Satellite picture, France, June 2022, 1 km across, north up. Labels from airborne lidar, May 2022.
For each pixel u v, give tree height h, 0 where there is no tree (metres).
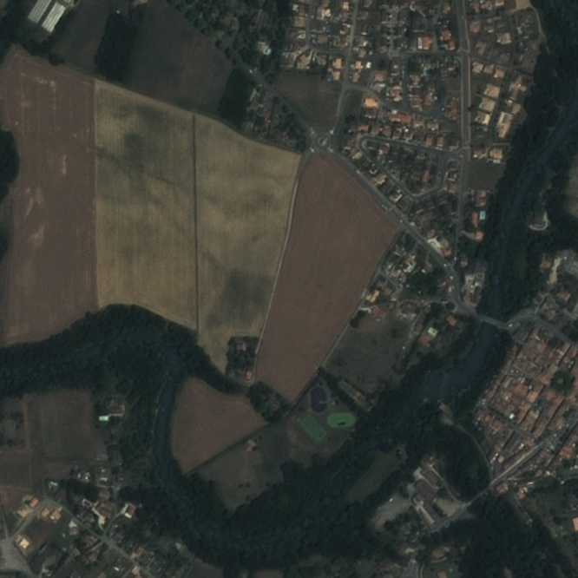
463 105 0
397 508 0
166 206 0
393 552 16
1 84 0
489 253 21
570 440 0
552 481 0
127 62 12
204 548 28
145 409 9
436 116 0
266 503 11
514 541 20
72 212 0
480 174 0
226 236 0
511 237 12
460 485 14
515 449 0
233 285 0
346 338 0
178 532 9
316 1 0
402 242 10
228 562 26
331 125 0
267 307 0
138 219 0
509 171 14
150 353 19
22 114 0
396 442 13
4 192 12
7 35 16
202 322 0
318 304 0
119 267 0
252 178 0
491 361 17
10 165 25
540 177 16
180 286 0
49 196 0
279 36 8
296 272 0
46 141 0
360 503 17
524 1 0
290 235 0
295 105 0
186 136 0
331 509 24
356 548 23
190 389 0
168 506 18
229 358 10
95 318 19
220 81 0
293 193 0
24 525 0
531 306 0
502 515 11
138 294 0
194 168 0
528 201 12
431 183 7
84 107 0
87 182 0
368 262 0
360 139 0
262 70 10
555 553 19
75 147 0
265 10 11
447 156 0
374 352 0
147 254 0
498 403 0
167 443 9
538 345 0
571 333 15
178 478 16
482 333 0
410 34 7
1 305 0
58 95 0
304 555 17
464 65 0
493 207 13
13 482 0
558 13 14
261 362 0
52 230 0
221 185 0
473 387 16
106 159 0
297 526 0
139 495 18
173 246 0
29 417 0
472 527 10
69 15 7
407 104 0
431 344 6
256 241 0
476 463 9
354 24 0
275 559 10
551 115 21
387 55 0
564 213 11
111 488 7
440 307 13
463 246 14
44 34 0
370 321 0
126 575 0
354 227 0
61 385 13
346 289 0
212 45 0
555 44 25
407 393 16
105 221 0
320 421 0
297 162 0
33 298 0
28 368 7
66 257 0
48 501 0
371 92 0
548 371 0
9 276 0
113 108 0
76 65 0
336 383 14
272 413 16
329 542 18
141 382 18
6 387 19
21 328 0
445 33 0
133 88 0
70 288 0
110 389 0
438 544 8
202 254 0
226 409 0
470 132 0
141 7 11
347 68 0
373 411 10
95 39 0
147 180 0
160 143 0
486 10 6
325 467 11
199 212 0
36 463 0
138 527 9
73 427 0
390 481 13
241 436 0
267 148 0
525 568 19
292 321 0
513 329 0
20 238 0
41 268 0
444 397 0
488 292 28
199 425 0
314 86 0
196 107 0
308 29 0
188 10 13
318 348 0
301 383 0
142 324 11
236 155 0
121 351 19
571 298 6
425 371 20
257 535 17
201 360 20
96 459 0
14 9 28
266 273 0
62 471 0
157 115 0
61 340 17
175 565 9
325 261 0
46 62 0
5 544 0
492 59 0
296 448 0
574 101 0
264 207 0
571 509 6
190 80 0
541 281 15
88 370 22
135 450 12
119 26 16
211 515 15
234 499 0
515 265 8
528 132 21
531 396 0
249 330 0
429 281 10
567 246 14
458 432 13
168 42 0
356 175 0
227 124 0
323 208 0
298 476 10
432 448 7
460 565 9
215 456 0
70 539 0
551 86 24
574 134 16
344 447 7
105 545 6
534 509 0
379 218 0
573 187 0
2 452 0
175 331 22
